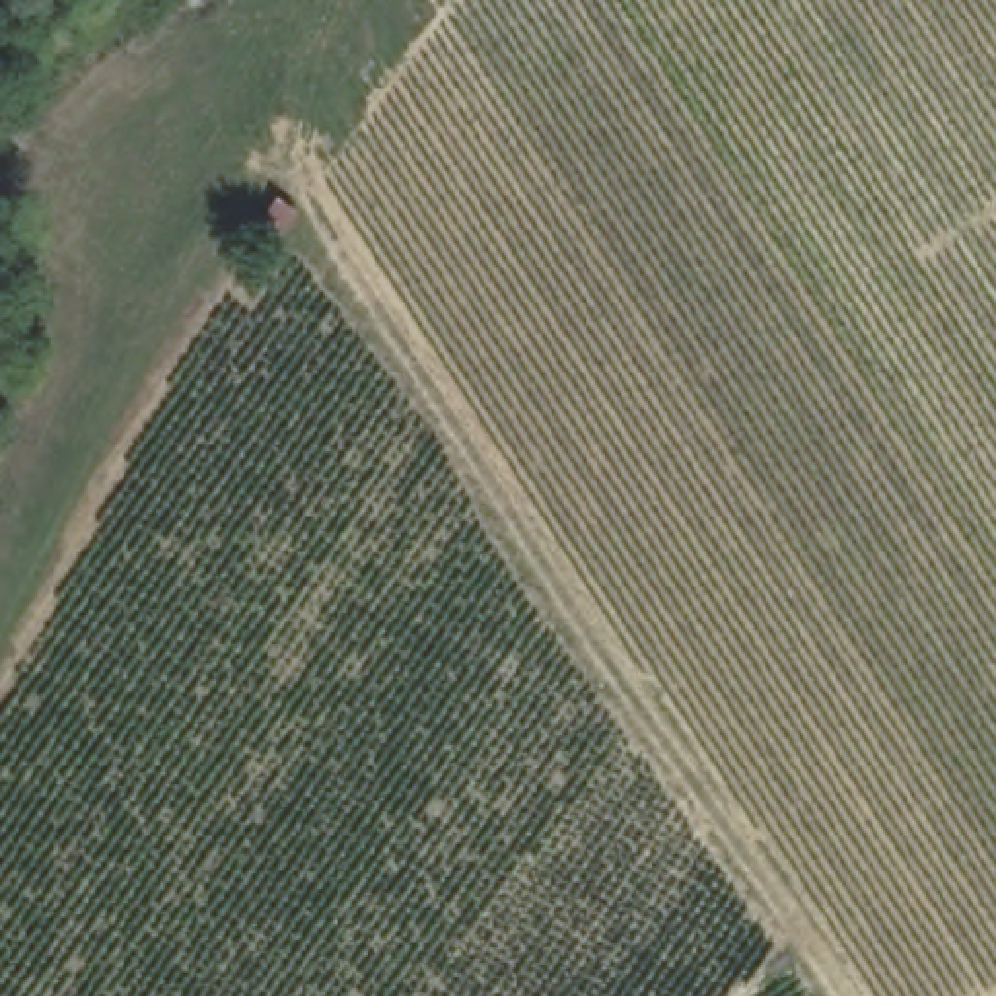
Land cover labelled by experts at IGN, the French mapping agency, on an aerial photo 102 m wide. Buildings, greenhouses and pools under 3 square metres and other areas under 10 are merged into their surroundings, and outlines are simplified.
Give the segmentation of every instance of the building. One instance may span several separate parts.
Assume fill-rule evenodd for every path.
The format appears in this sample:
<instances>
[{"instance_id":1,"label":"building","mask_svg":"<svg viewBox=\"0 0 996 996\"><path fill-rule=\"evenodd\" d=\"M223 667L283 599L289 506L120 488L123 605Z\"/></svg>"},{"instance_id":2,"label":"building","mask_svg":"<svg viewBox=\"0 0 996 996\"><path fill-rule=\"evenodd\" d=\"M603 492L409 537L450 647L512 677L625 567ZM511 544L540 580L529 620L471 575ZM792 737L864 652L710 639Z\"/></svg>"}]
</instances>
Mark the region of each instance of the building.
<instances>
[{"instance_id":1,"label":"building","mask_svg":"<svg viewBox=\"0 0 996 996\"><path fill-rule=\"evenodd\" d=\"M303 222L307 214L288 187L280 187L272 218L280 233Z\"/></svg>"}]
</instances>

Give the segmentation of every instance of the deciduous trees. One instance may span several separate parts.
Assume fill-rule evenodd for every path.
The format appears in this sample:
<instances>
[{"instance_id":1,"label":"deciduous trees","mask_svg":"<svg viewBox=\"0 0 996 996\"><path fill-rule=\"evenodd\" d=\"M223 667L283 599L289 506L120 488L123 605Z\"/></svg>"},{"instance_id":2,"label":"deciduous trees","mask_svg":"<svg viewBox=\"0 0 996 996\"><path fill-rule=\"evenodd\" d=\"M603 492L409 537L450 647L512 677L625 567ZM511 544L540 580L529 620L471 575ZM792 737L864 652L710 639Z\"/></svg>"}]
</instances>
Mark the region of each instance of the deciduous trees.
<instances>
[{"instance_id":1,"label":"deciduous trees","mask_svg":"<svg viewBox=\"0 0 996 996\"><path fill-rule=\"evenodd\" d=\"M31 167L8 144L8 136L31 128L54 97L62 97L78 82L82 70L105 62L128 39L167 23L183 0L0 0L0 463L19 428L12 405L23 397L31 401L54 366L54 358L47 358L43 315L58 303L54 284L47 284L47 276L39 272L39 257L54 245L51 202L43 202L27 187Z\"/></svg>"},{"instance_id":2,"label":"deciduous trees","mask_svg":"<svg viewBox=\"0 0 996 996\"><path fill-rule=\"evenodd\" d=\"M226 253L230 272L257 300L268 288L276 288L276 272L292 261L280 233L272 218L265 226L237 230L233 249Z\"/></svg>"}]
</instances>

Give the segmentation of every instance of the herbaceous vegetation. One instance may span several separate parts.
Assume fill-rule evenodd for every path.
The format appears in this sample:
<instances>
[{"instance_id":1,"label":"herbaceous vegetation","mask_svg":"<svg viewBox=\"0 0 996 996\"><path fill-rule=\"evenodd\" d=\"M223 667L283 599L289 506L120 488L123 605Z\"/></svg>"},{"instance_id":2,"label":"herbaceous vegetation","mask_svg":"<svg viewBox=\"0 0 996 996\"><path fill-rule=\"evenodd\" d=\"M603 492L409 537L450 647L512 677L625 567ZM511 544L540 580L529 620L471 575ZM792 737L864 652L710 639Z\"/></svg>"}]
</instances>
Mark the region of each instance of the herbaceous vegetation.
<instances>
[{"instance_id":1,"label":"herbaceous vegetation","mask_svg":"<svg viewBox=\"0 0 996 996\"><path fill-rule=\"evenodd\" d=\"M428 0L183 0L167 23L128 39L105 62L82 70L78 82L62 97L54 97L31 128L8 136L8 144L31 167L27 187L43 202L51 202L54 245L39 257L39 272L47 276L47 284L54 284L58 303L43 315L47 358L54 358L54 366L31 401L23 397L12 405L19 428L0 463L0 658L8 654L27 607L35 603L51 560L58 556L66 521L78 498L86 494L89 475L105 463L109 444L128 409L136 405L163 342L175 335L191 303L202 296L202 288L230 272L226 253L233 249L237 230L265 226L272 218L280 187L292 175L292 148L307 132L331 140L350 136L370 97L370 89L358 82L358 66L381 62L389 70L432 19Z\"/></svg>"}]
</instances>

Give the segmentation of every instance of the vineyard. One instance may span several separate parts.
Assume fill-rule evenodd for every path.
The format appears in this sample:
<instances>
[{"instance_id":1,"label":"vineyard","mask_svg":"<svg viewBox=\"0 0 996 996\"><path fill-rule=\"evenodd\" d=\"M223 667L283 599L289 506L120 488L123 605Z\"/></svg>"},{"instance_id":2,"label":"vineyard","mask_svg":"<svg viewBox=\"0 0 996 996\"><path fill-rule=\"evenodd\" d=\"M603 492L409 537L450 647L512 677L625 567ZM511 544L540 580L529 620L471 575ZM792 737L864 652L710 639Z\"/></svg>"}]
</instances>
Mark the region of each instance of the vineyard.
<instances>
[{"instance_id":1,"label":"vineyard","mask_svg":"<svg viewBox=\"0 0 996 996\"><path fill-rule=\"evenodd\" d=\"M0 996L996 996L996 0L428 0L432 19L389 70L381 62L358 66L358 82L370 89L370 97L350 136L331 140L307 132L292 148L292 175L280 187L288 187L307 214L303 222L280 233L292 261L276 272L276 288L268 288L257 300L230 272L202 288L202 296L191 303L175 335L163 342L136 405L128 409L109 444L105 463L89 475L86 494L78 498L66 521L58 556L51 560L35 603L27 607L8 654L0 658Z\"/></svg>"}]
</instances>

